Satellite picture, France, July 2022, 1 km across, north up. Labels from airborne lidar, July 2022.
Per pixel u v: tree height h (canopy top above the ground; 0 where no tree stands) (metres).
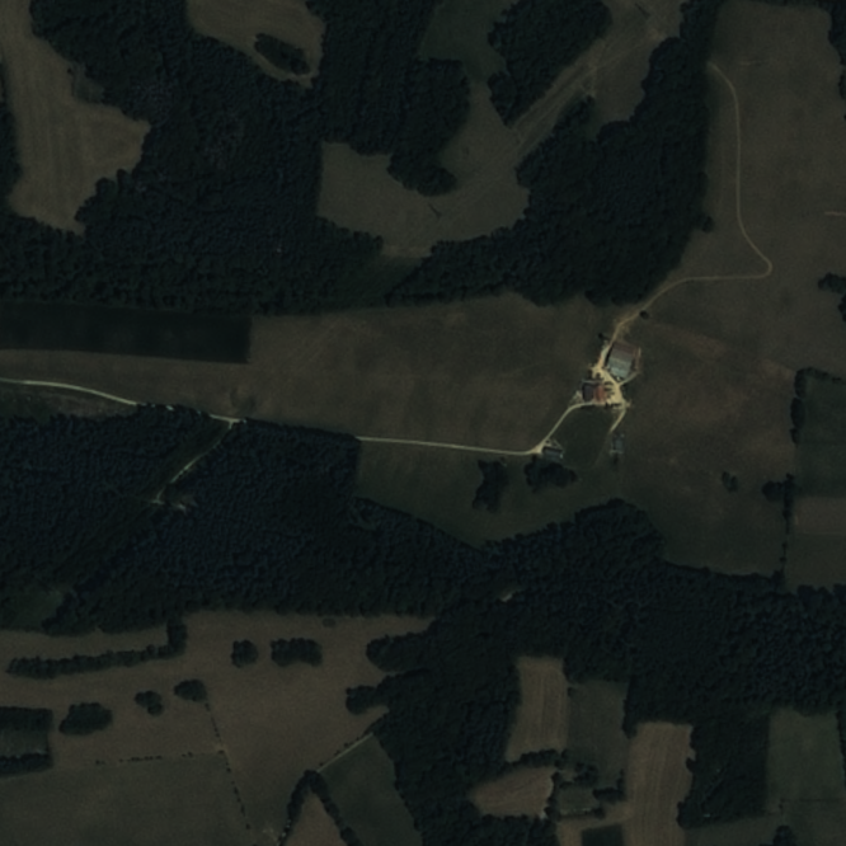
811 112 0
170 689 0
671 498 0
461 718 24
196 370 0
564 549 23
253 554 28
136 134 0
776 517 0
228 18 0
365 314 0
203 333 0
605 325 0
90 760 0
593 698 0
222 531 29
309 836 0
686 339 0
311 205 20
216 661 0
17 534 27
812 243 0
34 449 26
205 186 12
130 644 0
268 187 19
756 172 0
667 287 0
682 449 0
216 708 0
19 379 0
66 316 0
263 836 0
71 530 21
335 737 0
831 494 0
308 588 30
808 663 27
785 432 0
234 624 0
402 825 0
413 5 14
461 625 27
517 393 0
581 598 20
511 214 0
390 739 15
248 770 0
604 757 0
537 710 0
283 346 0
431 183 20
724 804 6
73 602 22
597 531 28
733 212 0
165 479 8
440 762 25
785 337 0
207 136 30
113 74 27
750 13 0
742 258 0
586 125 23
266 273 19
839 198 0
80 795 0
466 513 0
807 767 0
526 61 23
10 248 26
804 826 0
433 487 0
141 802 0
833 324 0
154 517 8
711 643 15
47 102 0
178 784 0
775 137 0
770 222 0
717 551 0
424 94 24
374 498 0
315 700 0
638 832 0
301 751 0
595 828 0
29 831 0
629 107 0
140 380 0
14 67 0
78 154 0
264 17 0
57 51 13
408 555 16
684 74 24
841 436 0
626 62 0
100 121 0
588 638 19
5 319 0
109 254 20
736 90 0
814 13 0
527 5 20
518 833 10
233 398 0
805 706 21
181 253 22
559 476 23
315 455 27
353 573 32
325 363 0
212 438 7
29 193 0
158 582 24
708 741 16
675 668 13
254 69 13
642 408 0
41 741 0
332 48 15
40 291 26
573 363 0
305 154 16
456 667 29
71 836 0
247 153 8
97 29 29
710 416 0
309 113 25
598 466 0
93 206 15
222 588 30
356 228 0
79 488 24
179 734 0
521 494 0
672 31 0
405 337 0
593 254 25
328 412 0
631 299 20
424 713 20
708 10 22
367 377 0
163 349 0
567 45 22
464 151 0
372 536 9
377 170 0
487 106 0
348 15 11
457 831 29
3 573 26
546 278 20
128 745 0
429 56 0
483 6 0
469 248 16
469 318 0
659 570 22
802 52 0
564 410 0
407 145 22
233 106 21
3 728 11
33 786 0
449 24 0
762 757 7
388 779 0
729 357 0
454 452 0
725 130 0
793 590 0
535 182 21
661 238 22
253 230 24
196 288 23
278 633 0
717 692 20
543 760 17
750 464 0
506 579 23
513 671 29
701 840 0
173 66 32
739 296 0
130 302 25
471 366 0
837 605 30
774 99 0
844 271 0
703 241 0
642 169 17
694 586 22
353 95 16
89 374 0
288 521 18
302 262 20
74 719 13
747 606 28
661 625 13
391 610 17
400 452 0
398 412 0
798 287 0
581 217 28
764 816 7
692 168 28
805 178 0
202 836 0
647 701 18
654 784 0
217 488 26
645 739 0
